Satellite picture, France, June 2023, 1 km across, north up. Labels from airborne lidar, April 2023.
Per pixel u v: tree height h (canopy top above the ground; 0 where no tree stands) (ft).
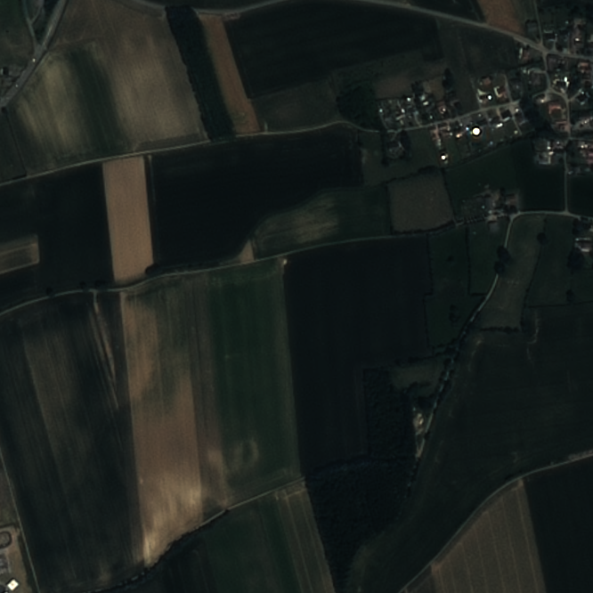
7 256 0
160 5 0
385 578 0
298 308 0
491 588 0
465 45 0
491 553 0
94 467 0
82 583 0
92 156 0
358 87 27
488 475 0
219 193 0
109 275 0
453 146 0
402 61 0
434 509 0
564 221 0
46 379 0
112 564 0
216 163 0
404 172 0
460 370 0
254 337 0
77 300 0
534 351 0
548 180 0
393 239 0
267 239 0
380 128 29
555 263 0
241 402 0
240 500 0
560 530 0
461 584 0
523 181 0
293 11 0
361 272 0
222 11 0
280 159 0
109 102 0
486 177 0
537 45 0
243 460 0
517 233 0
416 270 0
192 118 0
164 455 0
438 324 0
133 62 0
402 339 0
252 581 0
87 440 0
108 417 0
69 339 0
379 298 0
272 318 0
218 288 0
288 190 0
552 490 0
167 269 0
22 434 0
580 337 0
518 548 0
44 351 0
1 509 0
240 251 0
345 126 0
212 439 0
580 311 0
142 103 0
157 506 0
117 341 0
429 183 0
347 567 64
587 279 0
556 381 0
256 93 0
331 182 0
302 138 0
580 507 0
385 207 0
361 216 0
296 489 0
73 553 0
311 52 0
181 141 0
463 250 0
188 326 0
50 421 0
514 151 0
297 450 0
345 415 0
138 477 0
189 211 0
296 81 0
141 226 0
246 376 0
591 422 0
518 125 0
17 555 0
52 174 0
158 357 0
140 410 0
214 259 0
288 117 0
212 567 0
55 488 0
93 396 0
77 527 0
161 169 0
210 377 0
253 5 0
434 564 0
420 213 0
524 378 0
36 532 0
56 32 0
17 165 0
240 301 0
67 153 0
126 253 0
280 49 0
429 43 0
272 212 0
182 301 0
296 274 0
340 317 0
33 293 0
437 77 0
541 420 0
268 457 0
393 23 0
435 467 0
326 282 0
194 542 0
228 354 0
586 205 0
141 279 0
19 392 0
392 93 0
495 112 0
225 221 0
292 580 0
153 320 0
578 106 0
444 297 0
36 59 0
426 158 0
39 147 0
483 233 0
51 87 0
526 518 0
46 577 0
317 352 0
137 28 0
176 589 0
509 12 0
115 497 0
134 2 0
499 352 0
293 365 0
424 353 0
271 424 0
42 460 0
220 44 0
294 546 0
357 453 0
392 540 0
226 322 0
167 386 0
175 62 0
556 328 0
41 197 0
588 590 0
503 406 0
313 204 0
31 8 0
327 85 0
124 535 0
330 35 0
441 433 0
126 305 0
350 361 0
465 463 0
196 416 0
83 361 0
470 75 0
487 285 0
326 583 0
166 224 0
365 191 0
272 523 0
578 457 0
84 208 0
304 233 0
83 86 0
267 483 0
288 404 0
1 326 0
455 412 0
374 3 0
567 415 0
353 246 0
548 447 0
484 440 0
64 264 0
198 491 0
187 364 0
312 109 0
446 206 0
